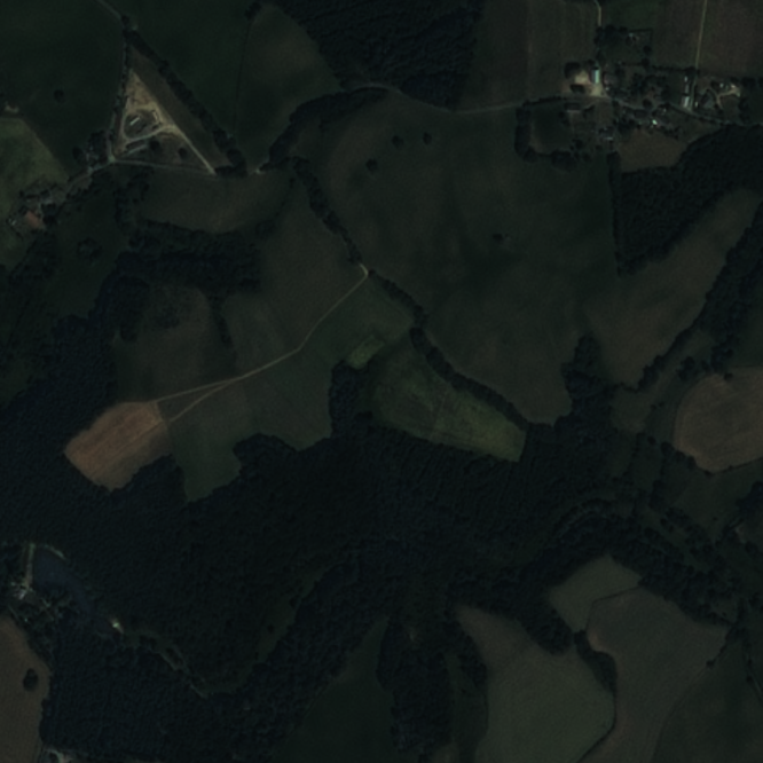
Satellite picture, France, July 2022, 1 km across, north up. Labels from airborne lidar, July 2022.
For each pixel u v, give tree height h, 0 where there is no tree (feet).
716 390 0
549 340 0
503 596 74
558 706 0
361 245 0
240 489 66
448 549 82
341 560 47
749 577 0
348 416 90
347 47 35
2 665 0
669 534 33
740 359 0
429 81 83
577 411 39
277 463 91
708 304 19
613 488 25
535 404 0
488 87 0
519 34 0
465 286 0
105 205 0
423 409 0
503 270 0
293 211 0
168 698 76
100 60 0
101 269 0
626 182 43
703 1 0
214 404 0
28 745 0
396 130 0
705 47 0
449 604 19
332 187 0
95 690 85
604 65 28
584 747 0
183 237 27
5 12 0
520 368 0
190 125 0
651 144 0
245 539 77
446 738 71
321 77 0
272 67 0
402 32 72
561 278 0
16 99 0
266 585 92
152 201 0
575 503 31
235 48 0
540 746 0
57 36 0
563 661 0
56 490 69
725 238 0
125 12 0
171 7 0
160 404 0
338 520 81
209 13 0
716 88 27
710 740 0
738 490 0
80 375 66
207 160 0
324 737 0
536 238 0
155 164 0
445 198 0
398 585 33
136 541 71
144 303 62
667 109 25
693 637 0
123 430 0
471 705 0
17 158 0
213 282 73
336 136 0
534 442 35
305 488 85
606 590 0
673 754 0
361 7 33
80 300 0
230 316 0
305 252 0
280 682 46
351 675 0
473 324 0
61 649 69
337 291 0
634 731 0
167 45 0
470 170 0
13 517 56
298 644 19
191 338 0
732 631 24
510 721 0
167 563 83
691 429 0
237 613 62
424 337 42
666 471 24
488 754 0
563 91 0
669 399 0
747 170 29
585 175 0
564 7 0
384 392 0
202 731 65
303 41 0
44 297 27
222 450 0
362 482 73
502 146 0
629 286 0
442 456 36
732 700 0
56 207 25
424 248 0
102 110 0
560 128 0
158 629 65
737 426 0
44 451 76
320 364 0
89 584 79
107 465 0
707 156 28
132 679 78
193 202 0
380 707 0
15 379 0
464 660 65
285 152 51
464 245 0
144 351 0
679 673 0
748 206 0
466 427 0
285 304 0
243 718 29
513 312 0
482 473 52
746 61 0
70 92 0
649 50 45
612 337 0
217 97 0
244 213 0
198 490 0
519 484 28
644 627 0
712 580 50
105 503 78
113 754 102
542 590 31
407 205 0
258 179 0
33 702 0
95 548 82
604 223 0
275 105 0
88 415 74
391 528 83
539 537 28
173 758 68
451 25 80
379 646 0
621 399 0
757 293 48
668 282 0
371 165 38
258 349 0
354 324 0
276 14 0
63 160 0
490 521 27
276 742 72
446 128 0
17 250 0
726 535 50
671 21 0
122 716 94
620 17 0
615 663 18
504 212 0
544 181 0
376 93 30
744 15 0
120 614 49
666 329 0
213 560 71
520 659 0
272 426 0
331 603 41
